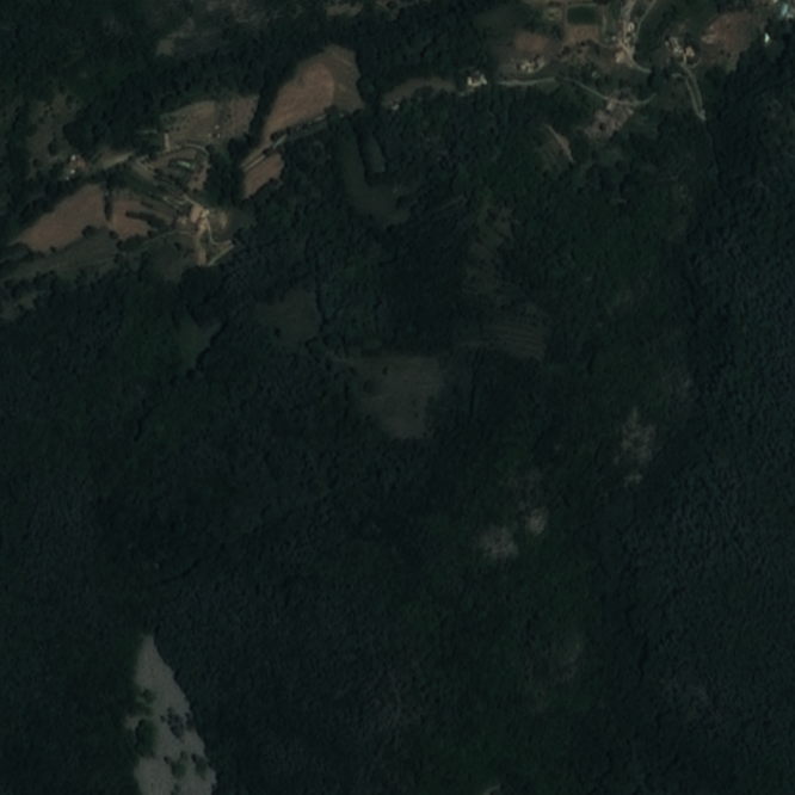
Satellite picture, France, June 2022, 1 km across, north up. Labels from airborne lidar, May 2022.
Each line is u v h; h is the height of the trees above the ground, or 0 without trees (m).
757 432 18
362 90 15
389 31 22
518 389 10
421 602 21
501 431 18
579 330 13
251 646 24
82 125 16
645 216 13
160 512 21
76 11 8
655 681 16
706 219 18
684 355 9
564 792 18
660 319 7
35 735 26
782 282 16
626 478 7
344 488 18
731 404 17
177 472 18
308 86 0
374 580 17
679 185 8
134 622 19
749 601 18
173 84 14
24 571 24
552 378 16
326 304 20
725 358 5
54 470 21
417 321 11
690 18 0
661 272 11
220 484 17
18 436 25
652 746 18
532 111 14
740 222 25
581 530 6
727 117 24
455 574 15
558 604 23
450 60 15
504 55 0
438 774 17
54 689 24
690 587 25
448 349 10
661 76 8
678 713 13
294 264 8
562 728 21
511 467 9
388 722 10
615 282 17
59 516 23
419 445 11
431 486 20
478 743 22
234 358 20
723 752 20
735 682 20
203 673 21
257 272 19
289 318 0
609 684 18
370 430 16
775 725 21
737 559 16
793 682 21
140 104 17
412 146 17
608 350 17
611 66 0
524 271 10
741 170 12
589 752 26
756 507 22
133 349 13
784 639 20
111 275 11
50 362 18
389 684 13
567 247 20
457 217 8
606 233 20
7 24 19
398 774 14
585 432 11
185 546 17
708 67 0
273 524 9
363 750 17
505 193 16
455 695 14
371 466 24
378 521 23
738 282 19
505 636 20
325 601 20
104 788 20
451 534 21
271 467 13
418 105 11
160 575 14
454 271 10
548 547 20
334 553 23
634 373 13
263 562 21
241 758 25
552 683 17
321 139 13
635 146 11
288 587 18
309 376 20
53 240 0
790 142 8
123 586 20
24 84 22
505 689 15
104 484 22
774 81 15
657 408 12
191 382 19
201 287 20
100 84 8
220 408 21
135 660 13
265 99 14
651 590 22
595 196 21
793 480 25
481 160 18
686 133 13
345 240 22
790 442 15
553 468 19
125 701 18
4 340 14
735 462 17
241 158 13
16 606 22
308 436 12
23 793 23
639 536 17
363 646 17
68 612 25
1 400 24
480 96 12
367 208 0
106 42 9
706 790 19
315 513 9
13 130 11
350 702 16
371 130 8
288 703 19
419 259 12
